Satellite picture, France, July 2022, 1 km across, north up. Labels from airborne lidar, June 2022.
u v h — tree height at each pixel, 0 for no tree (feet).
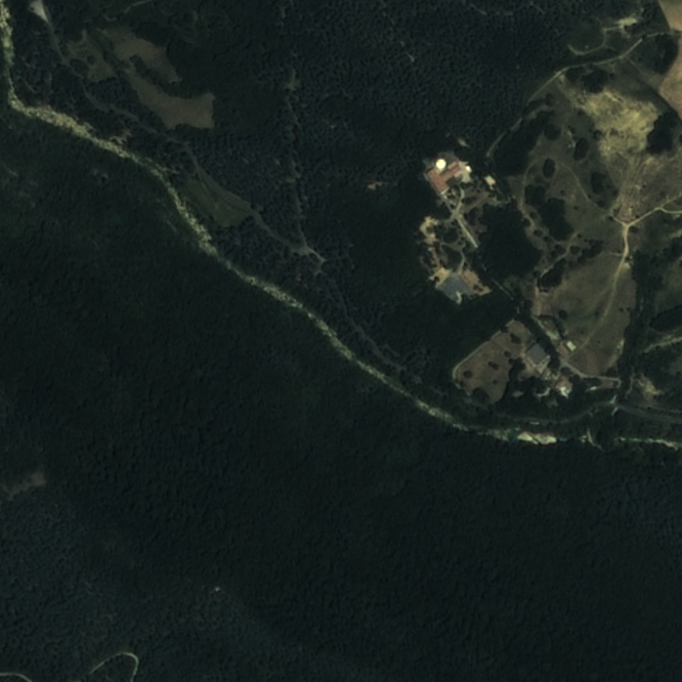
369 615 31
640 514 56
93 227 20
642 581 51
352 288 25
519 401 52
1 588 70
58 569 49
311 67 57
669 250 29
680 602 66
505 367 0
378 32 55
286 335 30
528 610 43
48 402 70
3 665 35
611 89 0
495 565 41
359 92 59
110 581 40
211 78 38
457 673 34
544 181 0
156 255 33
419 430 35
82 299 46
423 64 47
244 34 45
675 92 0
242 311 43
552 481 47
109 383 62
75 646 45
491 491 55
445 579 49
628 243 0
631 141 0
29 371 82
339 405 31
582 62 23
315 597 49
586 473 36
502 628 50
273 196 72
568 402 22
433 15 32
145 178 23
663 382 22
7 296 35
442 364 45
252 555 53
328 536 54
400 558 65
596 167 0
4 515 22
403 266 43
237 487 52
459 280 0
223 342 60
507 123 32
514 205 27
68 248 40
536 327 26
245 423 70
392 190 20
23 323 34
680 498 56
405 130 32
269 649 57
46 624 67
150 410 57
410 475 43
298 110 65
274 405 32
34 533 52
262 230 65
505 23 41
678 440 38
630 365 25
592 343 0
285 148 35
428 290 40
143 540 34
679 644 76
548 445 50
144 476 92
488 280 32
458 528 67
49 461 37
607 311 0
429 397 39
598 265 0
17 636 66
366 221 42
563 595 28
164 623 28
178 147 48
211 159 67
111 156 41
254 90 37
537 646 51
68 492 45
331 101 40
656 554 35
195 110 0
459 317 40
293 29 41
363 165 36
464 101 47
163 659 46
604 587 66
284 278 28
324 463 42
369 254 36
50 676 32
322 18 50
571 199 0
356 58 42
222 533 59
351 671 44
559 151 0
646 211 0
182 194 37
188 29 27
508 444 43
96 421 54
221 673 45
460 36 69
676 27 0
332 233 29
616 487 48
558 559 75
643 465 35
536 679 35
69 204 35
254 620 37
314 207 36
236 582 36
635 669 25
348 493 46
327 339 55
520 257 38
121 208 21
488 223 27
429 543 27
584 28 0
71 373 54
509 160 35
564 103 0
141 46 0
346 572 53
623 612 59
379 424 36
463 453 64
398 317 50
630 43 0
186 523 55
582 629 57
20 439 28
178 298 45
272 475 40
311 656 50
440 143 40
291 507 38
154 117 44
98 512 46
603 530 37
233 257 37
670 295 0
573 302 0
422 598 60
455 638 47
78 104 33
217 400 48
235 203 0
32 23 61
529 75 42
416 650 48
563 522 32
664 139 31
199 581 41
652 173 0
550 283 41
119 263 33
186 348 31
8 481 23
